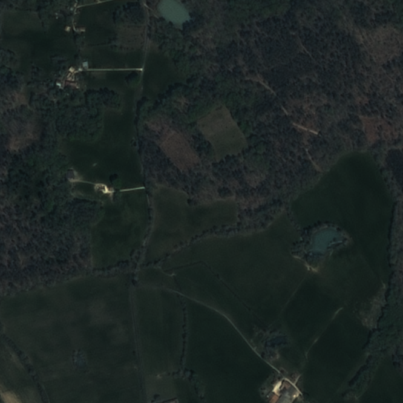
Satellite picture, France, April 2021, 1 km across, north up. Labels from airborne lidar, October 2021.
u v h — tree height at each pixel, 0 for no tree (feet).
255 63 76
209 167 46
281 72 44
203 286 0
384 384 0
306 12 54
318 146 85
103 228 0
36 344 0
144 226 0
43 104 47
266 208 44
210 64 64
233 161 62
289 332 0
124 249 0
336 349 0
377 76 43
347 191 0
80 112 43
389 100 21
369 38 46
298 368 0
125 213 0
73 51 0
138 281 27
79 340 0
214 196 56
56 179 75
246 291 0
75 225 61
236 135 0
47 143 90
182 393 0
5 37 0
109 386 0
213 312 0
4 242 37
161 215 0
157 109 61
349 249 0
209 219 0
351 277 0
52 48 0
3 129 73
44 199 85
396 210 52
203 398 37
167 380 0
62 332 0
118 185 69
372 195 0
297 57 62
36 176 44
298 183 78
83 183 0
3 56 57
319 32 47
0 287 69
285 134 23
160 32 61
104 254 0
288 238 0
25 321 0
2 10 61
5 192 82
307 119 23
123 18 49
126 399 0
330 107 31
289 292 0
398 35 26
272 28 91
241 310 0
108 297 0
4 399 0
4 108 52
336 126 64
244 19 62
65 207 51
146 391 0
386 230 0
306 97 20
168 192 0
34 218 37
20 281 83
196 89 79
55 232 70
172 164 64
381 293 0
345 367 0
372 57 33
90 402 0
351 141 44
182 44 80
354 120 81
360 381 62
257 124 58
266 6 75
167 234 0
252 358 0
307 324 0
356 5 55
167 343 0
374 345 55
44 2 24
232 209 0
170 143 0
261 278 0
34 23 0
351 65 79
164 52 72
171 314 0
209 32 59
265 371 0
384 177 33
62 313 0
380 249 0
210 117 0
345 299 0
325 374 0
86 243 60
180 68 81
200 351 0
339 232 47
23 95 0
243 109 35
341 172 0
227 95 75
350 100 68
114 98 85
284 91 68
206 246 0
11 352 0
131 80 55
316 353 0
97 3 0
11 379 0
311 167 80
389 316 52
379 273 0
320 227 42
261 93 17
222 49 57
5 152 29
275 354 45
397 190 62
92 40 0
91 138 72
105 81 0
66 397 0
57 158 85
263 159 59
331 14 74
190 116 74
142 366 0
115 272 46
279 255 0
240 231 54
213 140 0
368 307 0
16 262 73
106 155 0
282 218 0
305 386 0
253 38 86
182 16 0
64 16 0
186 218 0
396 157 30
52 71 0
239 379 0
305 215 0
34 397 0
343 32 33
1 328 62
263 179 59
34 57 0
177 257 0
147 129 47
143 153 63
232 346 0
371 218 0
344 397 42
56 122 77
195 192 65
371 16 55
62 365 0
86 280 0
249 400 0
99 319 0
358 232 0
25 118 72
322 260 49
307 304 0
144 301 0
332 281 0
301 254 29
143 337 0
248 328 0
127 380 0
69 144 0
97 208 57
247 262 0
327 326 0
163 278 0
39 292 0
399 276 29
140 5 31
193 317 0
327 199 0
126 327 0
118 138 0
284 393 0
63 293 0
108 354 0
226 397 0
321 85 36
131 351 0
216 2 40
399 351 56
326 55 73
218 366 0
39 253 75
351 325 0
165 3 0
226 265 0
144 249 37
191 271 0
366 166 0
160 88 0
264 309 0
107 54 0
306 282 0
